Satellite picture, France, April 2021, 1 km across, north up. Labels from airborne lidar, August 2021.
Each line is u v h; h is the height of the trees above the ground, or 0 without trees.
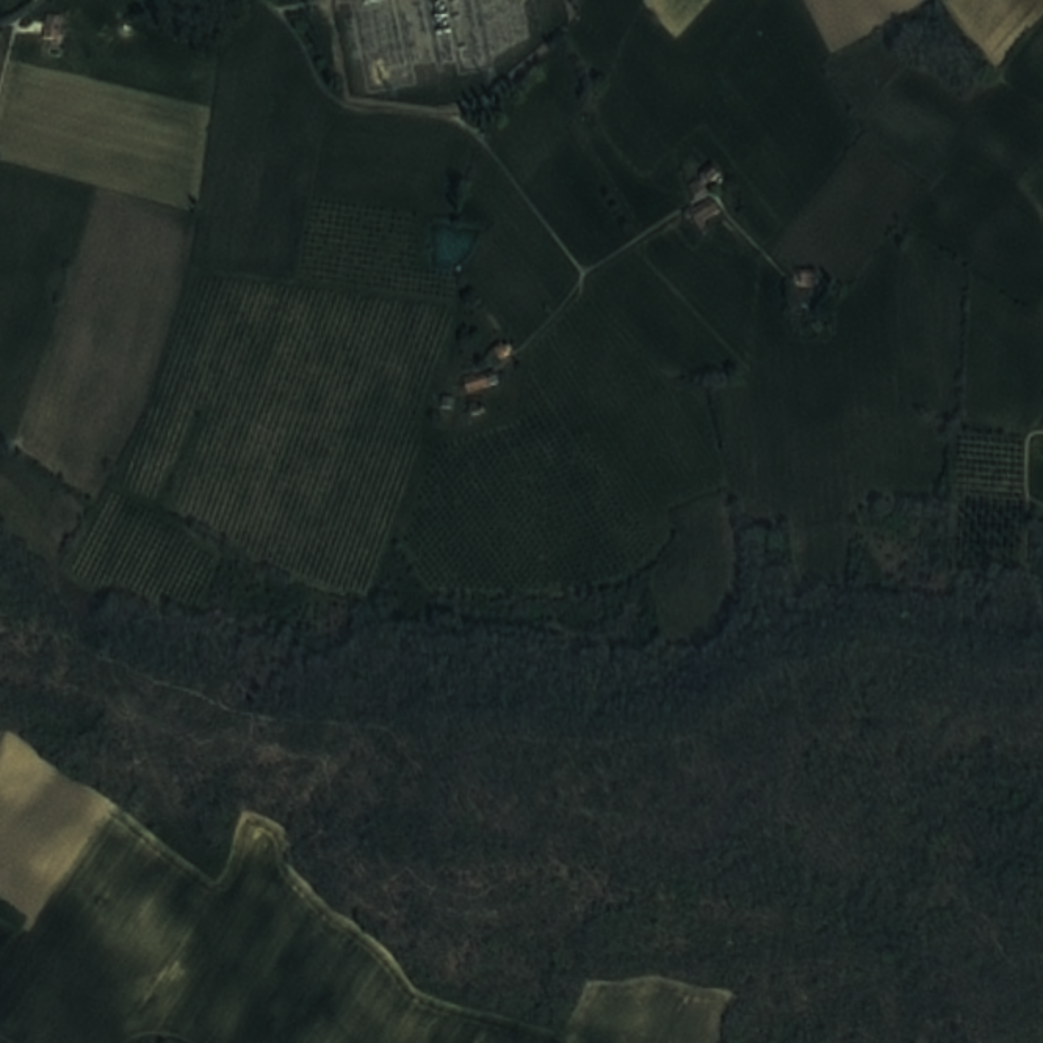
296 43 0
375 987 0
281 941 0
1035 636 19
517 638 18
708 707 16
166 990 0
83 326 0
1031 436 0
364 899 18
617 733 16
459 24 0
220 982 0
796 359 0
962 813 18
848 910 12
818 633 20
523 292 0
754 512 0
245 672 10
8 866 0
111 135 0
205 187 0
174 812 0
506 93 12
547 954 12
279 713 8
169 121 0
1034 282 0
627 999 0
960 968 16
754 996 12
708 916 11
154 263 0
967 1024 10
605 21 0
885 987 17
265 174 0
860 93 0
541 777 13
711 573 0
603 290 0
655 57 0
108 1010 0
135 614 18
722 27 0
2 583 12
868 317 0
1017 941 17
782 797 16
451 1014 0
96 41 0
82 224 0
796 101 0
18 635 8
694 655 10
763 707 17
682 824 10
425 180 0
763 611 23
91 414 0
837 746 19
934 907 18
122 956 0
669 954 14
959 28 8
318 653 8
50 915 0
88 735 13
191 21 27
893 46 18
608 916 7
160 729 0
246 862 0
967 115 0
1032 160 0
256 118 0
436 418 12
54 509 0
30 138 0
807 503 0
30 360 0
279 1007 0
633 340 0
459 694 12
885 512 16
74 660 10
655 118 0
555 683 22
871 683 12
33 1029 0
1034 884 14
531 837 13
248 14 26
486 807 14
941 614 18
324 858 13
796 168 0
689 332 0
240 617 8
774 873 17
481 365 14
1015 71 0
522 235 0
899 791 20
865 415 0
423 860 9
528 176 0
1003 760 15
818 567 0
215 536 19
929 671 13
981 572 8
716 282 0
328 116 0
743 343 0
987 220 0
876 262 0
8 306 0
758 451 0
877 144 0
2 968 0
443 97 0
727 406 0
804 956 10
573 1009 15
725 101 0
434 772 14
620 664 18
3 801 0
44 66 0
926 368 0
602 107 0
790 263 0
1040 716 19
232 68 0
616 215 8
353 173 0
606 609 7
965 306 7
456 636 17
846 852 20
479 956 13
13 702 14
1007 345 0
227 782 10
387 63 0
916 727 17
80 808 0
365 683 12
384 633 22
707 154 0
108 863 0
